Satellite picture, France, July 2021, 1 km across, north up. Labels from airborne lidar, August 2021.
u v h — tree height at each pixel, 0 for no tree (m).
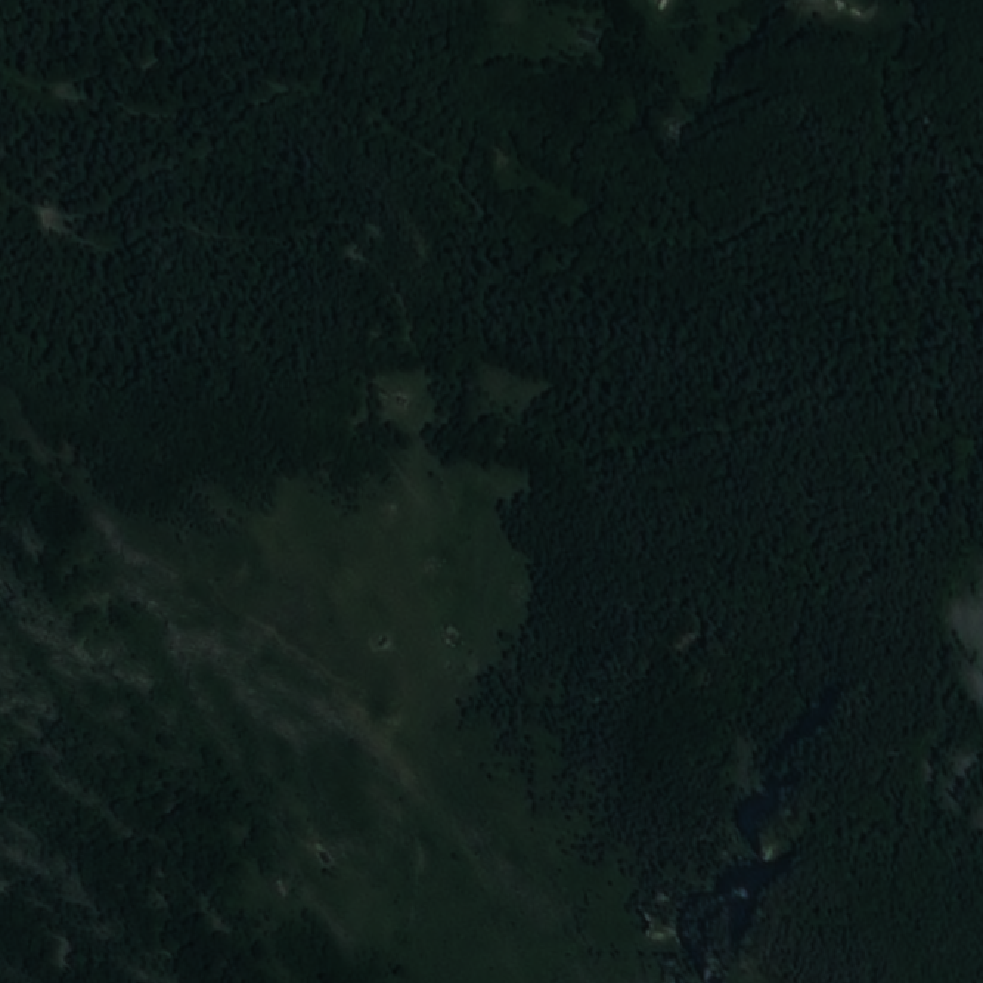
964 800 17
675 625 11
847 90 25
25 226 14
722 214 27
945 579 12
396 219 15
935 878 11
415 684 0
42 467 11
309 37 23
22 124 27
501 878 0
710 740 19
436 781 0
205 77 9
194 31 17
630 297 16
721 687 29
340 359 13
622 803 9
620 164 25
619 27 13
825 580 23
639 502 22
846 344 13
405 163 13
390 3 23
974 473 20
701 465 19
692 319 30
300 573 0
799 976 9
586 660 9
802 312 17
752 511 12
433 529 0
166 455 14
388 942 0
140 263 18
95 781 15
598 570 13
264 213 12
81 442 14
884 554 20
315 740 0
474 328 20
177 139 8
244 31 13
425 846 0
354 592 0
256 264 23
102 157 27
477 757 0
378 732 0
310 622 0
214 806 16
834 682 13
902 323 22
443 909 0
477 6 18
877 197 23
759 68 26
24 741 10
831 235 26
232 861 6
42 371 20
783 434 20
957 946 8
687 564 19
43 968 17
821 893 12
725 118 18
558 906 0
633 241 13
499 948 0
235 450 11
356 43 20
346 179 7
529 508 22
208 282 21
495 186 11
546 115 19
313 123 7
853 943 9
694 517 22
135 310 8
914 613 26
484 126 27
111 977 16
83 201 30
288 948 7
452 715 0
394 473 7
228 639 0
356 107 15
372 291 14
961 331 23
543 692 0
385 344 14
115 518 0
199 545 0
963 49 23
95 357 21
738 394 18
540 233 14
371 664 0
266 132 12
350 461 13
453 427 10
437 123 17
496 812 0
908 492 31
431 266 15
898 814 8
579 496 23
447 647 0
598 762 10
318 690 0
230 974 14
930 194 16
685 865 8
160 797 17
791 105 25
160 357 16
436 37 15
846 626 19
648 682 12
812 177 18
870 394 19
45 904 8
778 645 21
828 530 25
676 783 15
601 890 0
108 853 18
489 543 0
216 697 0
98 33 7
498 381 0
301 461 12
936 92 23
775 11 8
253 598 0
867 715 11
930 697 17
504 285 15
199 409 18
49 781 12
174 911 14
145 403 14
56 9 12
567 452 19
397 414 0
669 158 15
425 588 0
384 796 0
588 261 19
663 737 20
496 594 0
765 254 22
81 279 16
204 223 22
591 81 12
